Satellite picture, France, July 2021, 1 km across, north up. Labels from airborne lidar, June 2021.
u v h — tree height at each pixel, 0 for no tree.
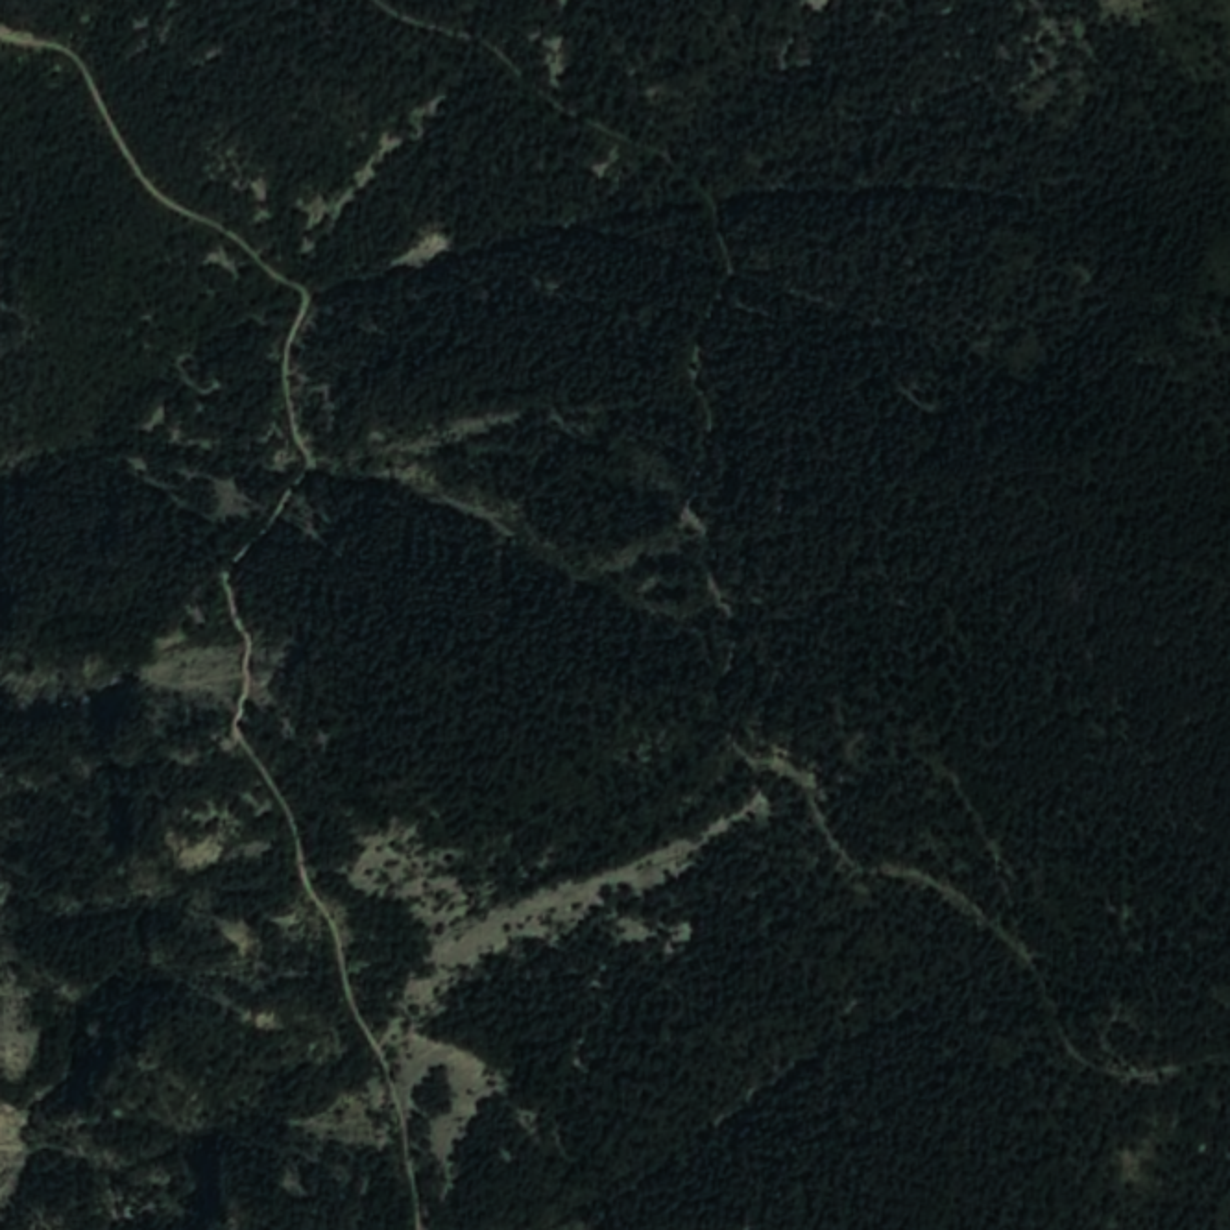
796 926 15
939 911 13
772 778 13
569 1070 8
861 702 14
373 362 9
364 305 13
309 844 9
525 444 15
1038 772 12
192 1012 7
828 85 15
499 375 15
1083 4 7
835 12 16
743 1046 11
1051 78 6
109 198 9
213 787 8
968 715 7
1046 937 10
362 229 14
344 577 14
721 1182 16
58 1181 15
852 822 7
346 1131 0
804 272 11
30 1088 13
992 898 14
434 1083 9
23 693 0
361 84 13
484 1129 10
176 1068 8
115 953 11
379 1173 6
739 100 14
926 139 12
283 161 12
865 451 12
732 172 12
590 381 18
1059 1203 15
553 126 9
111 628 8
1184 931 14
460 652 10
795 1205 13
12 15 8
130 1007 8
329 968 10
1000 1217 15
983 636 7
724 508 14
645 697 13
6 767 9
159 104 9
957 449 17
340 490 13
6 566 10
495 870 8
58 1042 18
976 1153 13
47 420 8
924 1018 14
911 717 13
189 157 8
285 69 11
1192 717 12
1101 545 13
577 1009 15
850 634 9
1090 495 15
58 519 14
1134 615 13
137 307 10
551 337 16
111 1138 10
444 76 12
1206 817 17
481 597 15
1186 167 9
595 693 13
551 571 7
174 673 0
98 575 10
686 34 13
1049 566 17
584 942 7
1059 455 13
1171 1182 12
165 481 9
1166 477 7
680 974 10
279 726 6
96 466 9
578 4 17
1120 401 10
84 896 10
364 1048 6
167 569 12
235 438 9
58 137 11
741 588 13
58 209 9
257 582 12
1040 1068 9
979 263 7
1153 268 8
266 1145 9
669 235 11
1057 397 8
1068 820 12
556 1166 11
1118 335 8
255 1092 7
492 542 12
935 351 12
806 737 9
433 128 12
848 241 12
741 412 14
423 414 9
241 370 13
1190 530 8
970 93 15
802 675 14
